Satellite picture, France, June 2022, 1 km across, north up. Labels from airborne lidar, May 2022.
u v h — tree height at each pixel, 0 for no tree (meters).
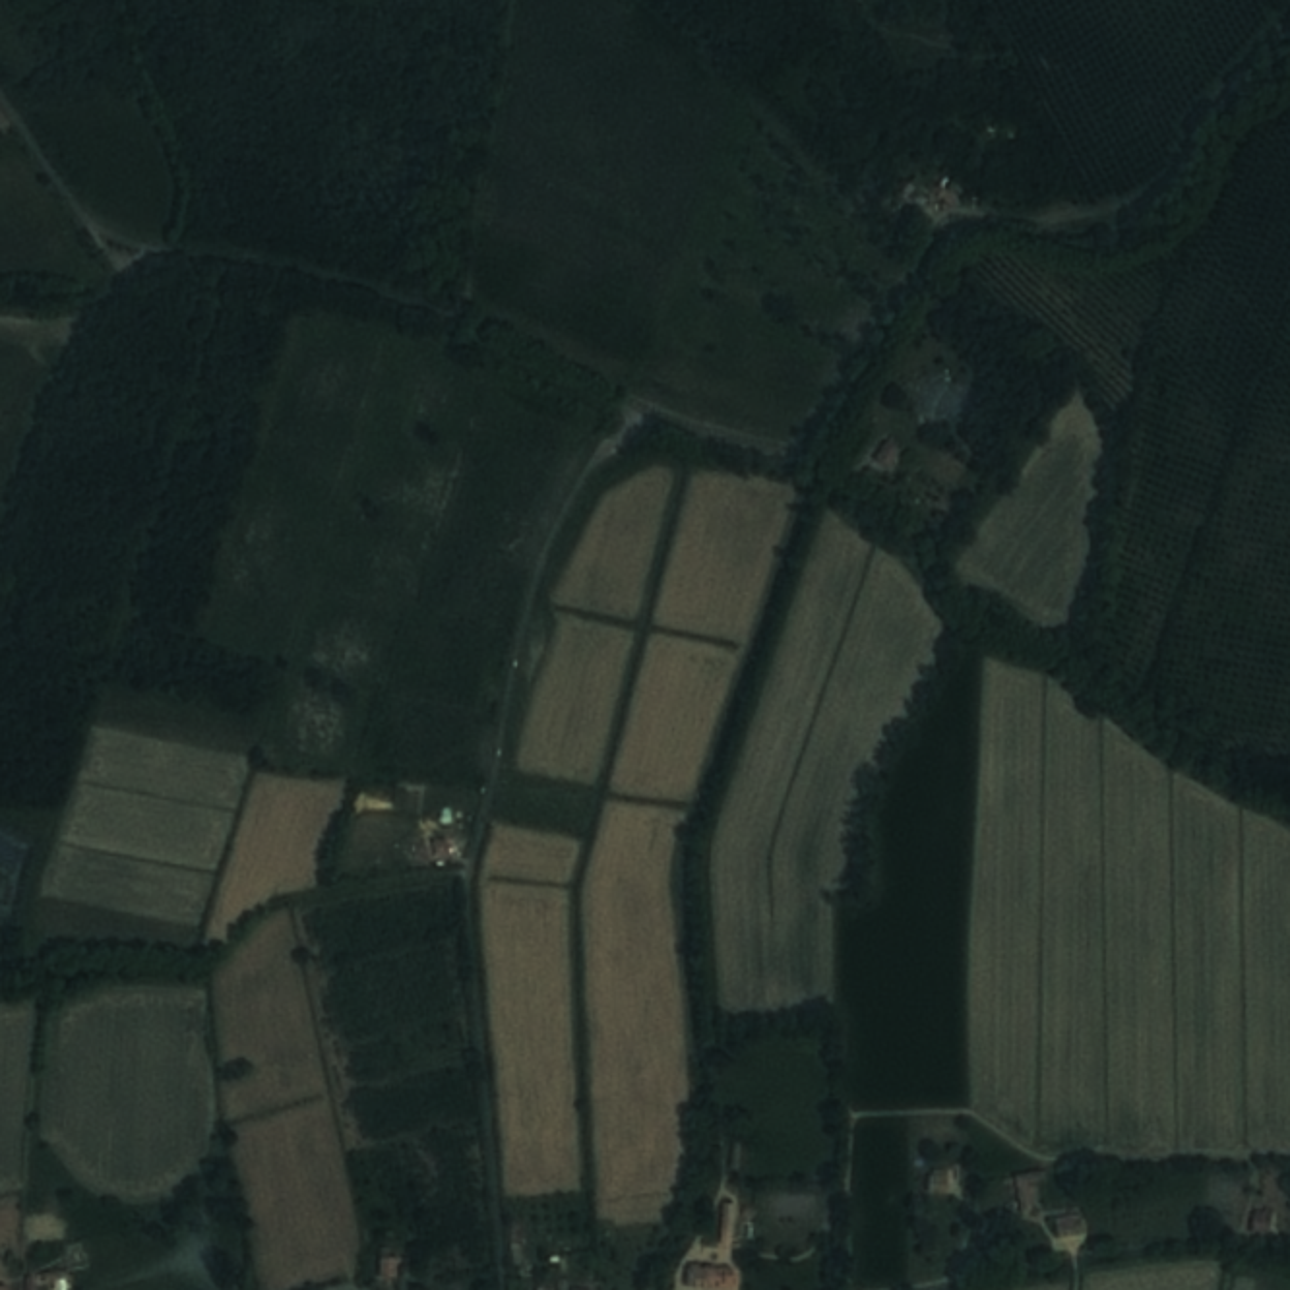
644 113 0
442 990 6
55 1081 0
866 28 17
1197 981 0
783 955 0
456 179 23
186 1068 0
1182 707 7
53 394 14
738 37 9
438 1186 6
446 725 0
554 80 0
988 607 25
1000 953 0
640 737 0
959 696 0
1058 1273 13
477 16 7
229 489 15
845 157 11
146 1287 0
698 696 0
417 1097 5
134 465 21
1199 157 23
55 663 27
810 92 9
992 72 12
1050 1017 0
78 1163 0
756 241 0
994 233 26
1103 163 11
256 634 0
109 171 0
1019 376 29
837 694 0
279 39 8
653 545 0
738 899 0
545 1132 0
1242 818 0
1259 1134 0
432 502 0
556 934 0
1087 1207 19
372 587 0
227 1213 23
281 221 22
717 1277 0
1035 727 0
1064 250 28
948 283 31
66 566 23
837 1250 9
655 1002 0
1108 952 0
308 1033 0
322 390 0
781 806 0
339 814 12
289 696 0
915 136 11
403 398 0
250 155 12
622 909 0
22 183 0
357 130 22
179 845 0
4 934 16
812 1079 0
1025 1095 0
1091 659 18
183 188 15
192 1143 0
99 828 0
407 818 0
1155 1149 0
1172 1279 0
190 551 18
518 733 0
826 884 0
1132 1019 0
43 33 7
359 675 0
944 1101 0
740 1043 14
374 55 13
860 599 0
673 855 0
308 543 0
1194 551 7
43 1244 7
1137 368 13
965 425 15
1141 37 8
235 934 15
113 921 0
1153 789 0
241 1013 0
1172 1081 0
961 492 9
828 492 13
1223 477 7
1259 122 16
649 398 0
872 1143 0
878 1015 0
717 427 0
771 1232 0
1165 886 0
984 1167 0
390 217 28
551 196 0
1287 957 0
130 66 10
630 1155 0
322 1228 0
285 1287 0
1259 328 11
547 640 0
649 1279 11
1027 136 8
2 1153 0
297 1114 0
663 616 0
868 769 12
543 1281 7
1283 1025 0
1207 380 11
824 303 0
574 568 0
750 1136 7
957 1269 25
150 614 18
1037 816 0
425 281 27
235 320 9
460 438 0
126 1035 0
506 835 0
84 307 19
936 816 0
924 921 0
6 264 0
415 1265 15
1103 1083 0
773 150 13
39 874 0
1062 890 0
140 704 0
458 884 11
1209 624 6
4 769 24
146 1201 0
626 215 0
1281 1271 10
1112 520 13
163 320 21
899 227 10
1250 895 0
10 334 0
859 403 29
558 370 28
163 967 18
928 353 0
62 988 17
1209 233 11
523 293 0
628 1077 0
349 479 0
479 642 0
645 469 0
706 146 0
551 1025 0
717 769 15
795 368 0
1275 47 20
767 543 0
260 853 0
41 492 20
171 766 0
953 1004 0
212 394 19
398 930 6
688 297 0
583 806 0
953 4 12
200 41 11
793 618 0
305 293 18
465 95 10
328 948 6
